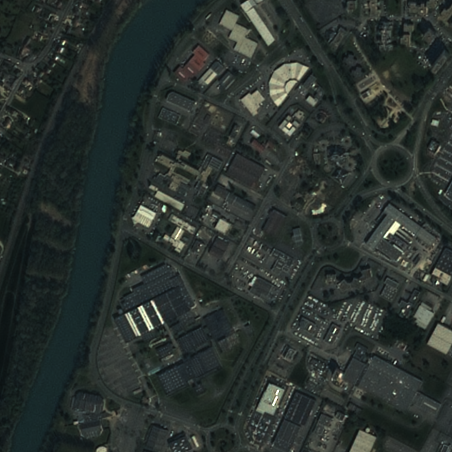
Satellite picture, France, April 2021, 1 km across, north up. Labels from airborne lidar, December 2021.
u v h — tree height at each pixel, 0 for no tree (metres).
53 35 0
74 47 0
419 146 0
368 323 0
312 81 0
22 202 0
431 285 0
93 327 20
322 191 0
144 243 0
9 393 9
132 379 0
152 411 0
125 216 0
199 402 0
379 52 28
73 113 33
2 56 0
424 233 0
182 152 0
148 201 0
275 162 0
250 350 0
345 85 16
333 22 0
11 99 0
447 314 0
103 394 0
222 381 0
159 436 0
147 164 0
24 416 0
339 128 0
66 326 0
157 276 0
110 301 0
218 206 0
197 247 0
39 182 20
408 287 0
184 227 0
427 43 15
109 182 0
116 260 0
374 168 0
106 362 0
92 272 0
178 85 0
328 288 0
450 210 14
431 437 0
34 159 0
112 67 0
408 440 0
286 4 0
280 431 0
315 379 0
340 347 0
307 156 0
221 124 0
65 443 32
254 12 0
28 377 28
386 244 0
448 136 0
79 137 23
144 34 0
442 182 0
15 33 0
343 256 0
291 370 0
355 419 12
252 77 0
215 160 0
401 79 0
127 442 0
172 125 0
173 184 0
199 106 0
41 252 34
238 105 0
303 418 0
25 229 0
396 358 0
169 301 0
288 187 0
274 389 0
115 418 0
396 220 0
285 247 0
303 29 0
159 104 0
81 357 17
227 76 0
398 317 15
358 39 26
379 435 10
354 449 0
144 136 10
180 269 0
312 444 0
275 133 0
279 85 0
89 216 0
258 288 0
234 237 8
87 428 0
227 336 0
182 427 0
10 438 24
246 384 9
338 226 0
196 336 0
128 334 0
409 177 0
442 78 0
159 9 0
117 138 0
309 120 0
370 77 0
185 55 0
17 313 13
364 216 0
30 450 0
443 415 0
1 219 0
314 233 0
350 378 0
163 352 0
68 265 27
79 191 33
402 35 0
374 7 0
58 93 8
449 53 0
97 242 0
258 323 0
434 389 0
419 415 0
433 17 0
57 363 0
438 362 0
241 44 0
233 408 0
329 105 0
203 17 0
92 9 0
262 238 0
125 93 0
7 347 0
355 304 0
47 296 20
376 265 0
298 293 0
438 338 0
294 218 0
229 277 15
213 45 0
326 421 0
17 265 0
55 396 0
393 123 17
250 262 0
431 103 0
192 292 0
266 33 0
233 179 0
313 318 0
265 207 0
